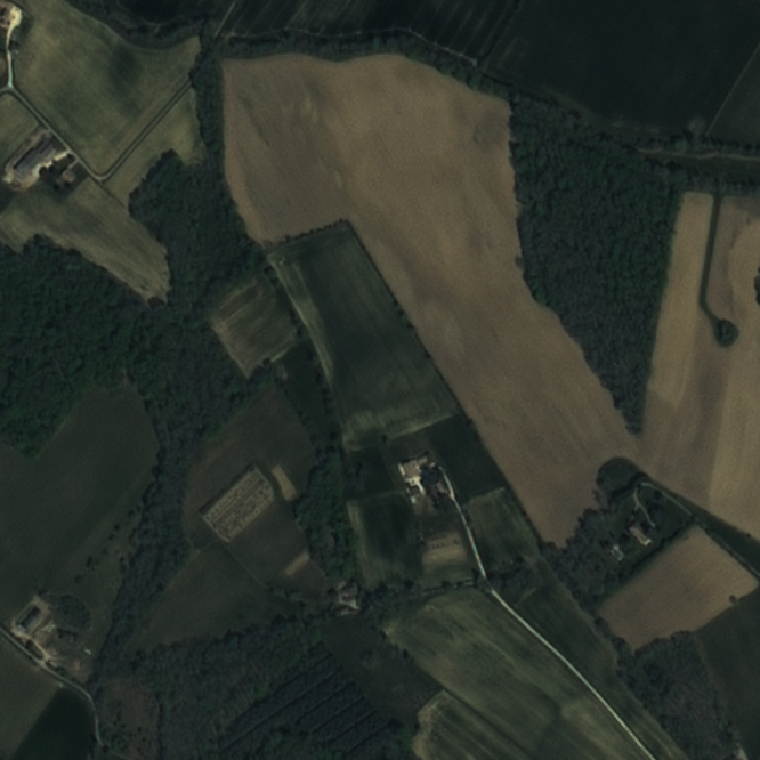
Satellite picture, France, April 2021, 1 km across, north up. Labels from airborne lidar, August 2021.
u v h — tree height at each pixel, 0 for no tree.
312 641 19
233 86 0
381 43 6
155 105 0
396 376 0
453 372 0
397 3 0
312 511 17
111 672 12
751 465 0
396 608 20
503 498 0
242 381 14
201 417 18
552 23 0
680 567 0
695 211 0
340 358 0
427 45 0
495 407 0
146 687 7
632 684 14
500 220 0
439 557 0
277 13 0
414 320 0
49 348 16
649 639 0
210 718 20
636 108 0
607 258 20
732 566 0
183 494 23
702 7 0
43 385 16
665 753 0
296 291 0
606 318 23
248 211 0
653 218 27
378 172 0
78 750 0
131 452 0
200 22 13
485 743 0
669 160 0
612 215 23
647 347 19
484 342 0
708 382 0
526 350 0
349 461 20
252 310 0
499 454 0
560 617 0
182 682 20
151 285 0
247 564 0
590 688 0
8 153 0
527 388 0
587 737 0
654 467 0
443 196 0
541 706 0
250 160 0
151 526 18
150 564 18
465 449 0
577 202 24
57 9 0
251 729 15
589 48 0
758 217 0
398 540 0
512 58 0
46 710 0
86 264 20
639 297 23
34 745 0
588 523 15
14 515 0
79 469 0
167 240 16
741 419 0
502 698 0
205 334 21
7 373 18
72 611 7
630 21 0
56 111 0
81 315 25
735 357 0
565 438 0
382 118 0
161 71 0
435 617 0
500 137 0
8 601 0
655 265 28
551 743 0
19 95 0
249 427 0
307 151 0
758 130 0
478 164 0
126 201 0
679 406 0
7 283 21
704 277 0
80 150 0
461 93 0
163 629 0
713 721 20
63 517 0
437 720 0
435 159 0
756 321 0
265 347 0
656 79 0
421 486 7
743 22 0
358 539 17
